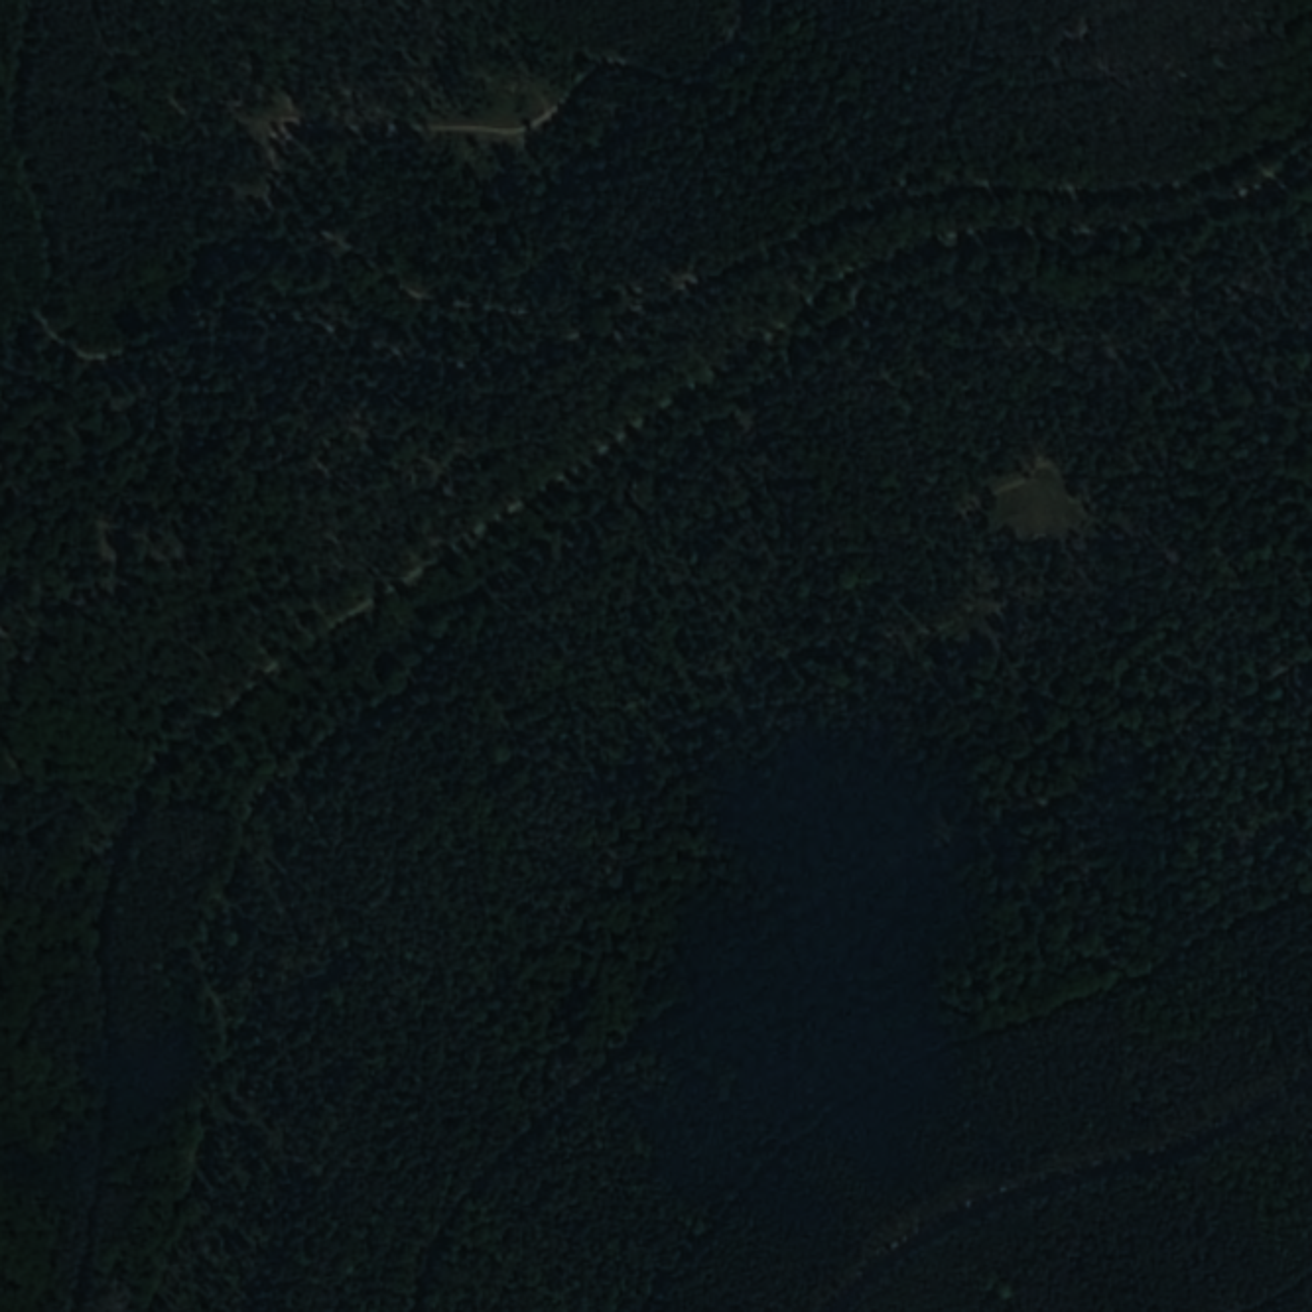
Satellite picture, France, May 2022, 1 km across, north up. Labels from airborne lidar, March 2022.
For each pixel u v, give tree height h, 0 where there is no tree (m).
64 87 31
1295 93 24
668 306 25
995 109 25
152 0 24
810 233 19
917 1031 22
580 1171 22
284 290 31
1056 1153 21
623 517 28
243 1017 27
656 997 29
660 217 28
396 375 28
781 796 34
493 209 33
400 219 18
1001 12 21
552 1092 26
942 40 24
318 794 30
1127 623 28
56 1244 29
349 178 9
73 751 30
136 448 29
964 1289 19
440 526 28
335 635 8
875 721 23
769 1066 26
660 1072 24
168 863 22
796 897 30
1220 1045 18
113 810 24
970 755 27
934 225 27
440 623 27
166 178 19
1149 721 20
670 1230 25
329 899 29
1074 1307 17
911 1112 20
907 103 24
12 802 29
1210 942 20
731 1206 16
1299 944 22
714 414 24
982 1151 18
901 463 28
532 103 0
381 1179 27
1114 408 31
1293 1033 24
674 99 23
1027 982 30
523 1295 22
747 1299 19
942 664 33
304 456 32
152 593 26
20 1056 25
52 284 26
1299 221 28
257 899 29
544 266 6
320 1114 28
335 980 27
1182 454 32
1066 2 13
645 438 9
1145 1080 20
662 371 24
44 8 29
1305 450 30
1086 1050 24
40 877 25
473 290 36
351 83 26
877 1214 17
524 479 25
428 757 25
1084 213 23
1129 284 30
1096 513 30
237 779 22
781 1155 19
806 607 32
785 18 33
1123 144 23
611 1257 20
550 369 26
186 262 12
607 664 28
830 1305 0
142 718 33
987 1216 16
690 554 30
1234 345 28
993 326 27
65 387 34
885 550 21
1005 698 30
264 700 10
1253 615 28
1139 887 21
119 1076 21
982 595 31
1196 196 29
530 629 7
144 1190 23
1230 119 21
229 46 28
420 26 29
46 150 25
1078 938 29
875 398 28
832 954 23
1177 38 23
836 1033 26
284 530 28
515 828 24
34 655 33
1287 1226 16
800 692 34
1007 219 25
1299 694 25
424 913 22
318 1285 24
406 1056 30
